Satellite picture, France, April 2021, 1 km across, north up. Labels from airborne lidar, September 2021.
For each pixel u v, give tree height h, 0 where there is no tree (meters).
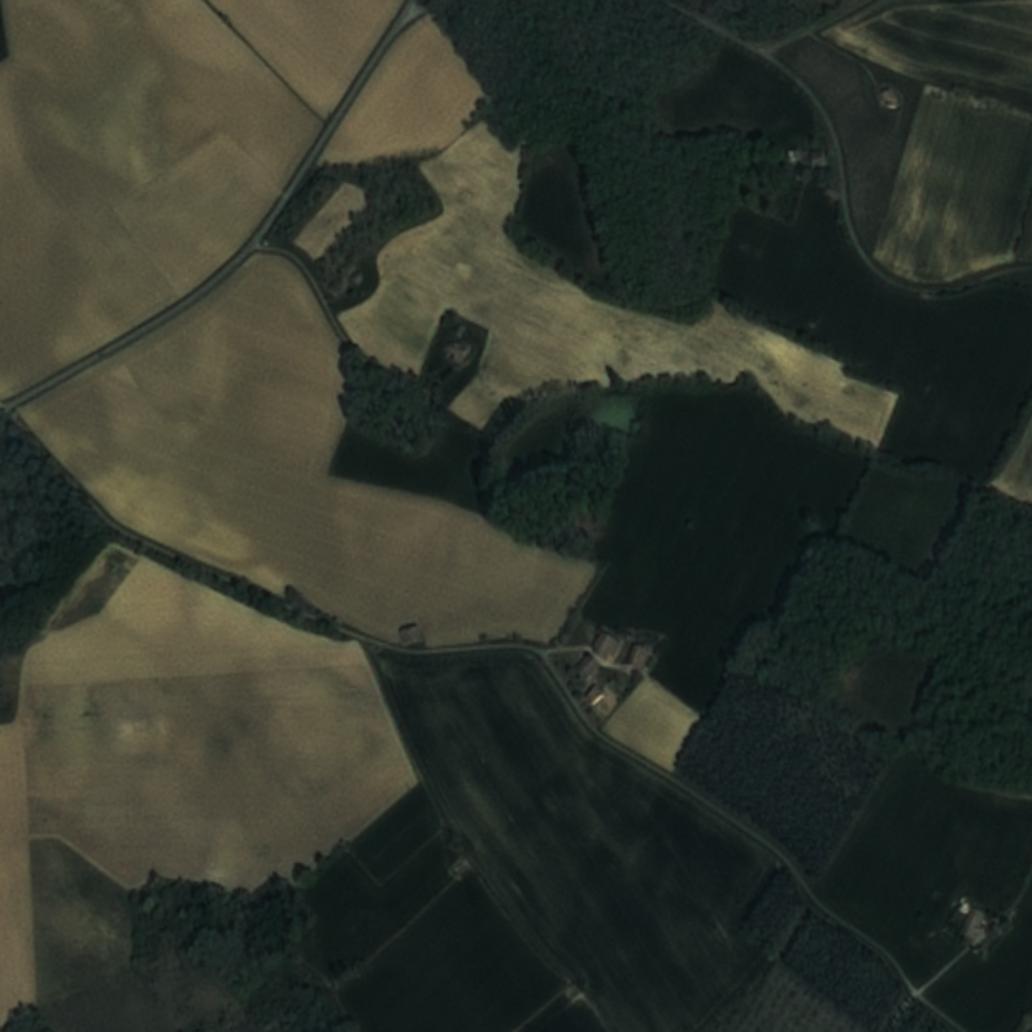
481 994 0
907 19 0
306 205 8
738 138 17
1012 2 0
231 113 0
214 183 0
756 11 21
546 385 0
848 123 0
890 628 24
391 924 0
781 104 0
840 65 0
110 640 0
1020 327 0
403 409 28
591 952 0
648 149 22
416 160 9
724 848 0
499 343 0
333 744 0
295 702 0
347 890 0
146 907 18
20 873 0
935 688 16
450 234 0
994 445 0
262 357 0
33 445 15
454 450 0
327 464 0
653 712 0
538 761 0
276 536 0
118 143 0
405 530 0
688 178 22
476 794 0
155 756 0
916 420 0
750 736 13
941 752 17
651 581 0
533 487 29
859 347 0
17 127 0
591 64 18
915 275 0
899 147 0
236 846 0
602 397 7
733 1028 12
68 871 0
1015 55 0
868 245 0
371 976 0
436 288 0
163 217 0
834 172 8
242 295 0
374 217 11
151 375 0
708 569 0
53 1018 0
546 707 0
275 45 0
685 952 0
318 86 0
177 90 0
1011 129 0
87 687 0
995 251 0
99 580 0
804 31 18
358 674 0
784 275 0
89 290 0
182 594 0
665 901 0
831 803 12
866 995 13
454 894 0
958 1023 0
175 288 0
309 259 0
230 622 0
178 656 0
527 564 0
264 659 0
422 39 0
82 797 0
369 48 0
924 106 0
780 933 14
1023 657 29
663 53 23
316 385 0
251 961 19
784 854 0
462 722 0
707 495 0
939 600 27
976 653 25
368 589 0
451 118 0
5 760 0
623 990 0
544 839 0
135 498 0
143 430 0
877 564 21
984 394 0
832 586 24
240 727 0
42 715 0
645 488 0
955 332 0
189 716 0
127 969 0
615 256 25
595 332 0
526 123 23
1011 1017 0
